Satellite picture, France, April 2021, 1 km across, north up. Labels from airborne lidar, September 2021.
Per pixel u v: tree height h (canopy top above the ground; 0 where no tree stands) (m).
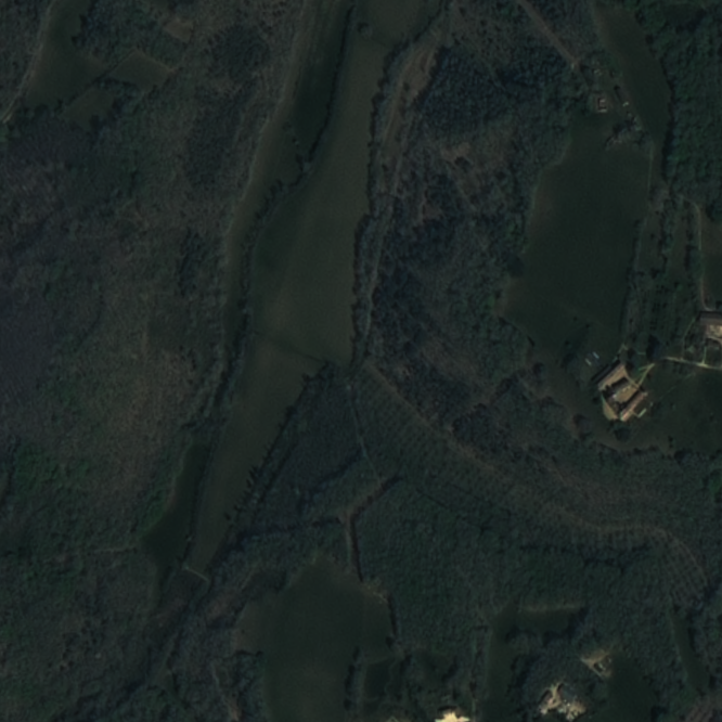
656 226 0
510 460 16
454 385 19
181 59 17
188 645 24
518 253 11
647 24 21
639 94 0
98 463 19
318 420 21
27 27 15
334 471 11
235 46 21
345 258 0
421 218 7
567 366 13
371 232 21
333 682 0
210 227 18
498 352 23
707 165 24
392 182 13
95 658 18
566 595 22
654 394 0
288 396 0
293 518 8
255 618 0
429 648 17
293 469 15
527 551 15
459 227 14
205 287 9
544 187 0
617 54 0
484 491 11
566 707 0
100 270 19
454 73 20
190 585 6
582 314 0
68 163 15
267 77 9
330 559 20
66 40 0
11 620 19
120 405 17
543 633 0
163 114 18
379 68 0
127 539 22
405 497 23
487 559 25
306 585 0
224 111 16
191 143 17
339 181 0
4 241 8
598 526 12
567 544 14
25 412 21
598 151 0
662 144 0
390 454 16
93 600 15
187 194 19
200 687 17
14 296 13
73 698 26
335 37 0
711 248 0
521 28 12
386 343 11
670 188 16
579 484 14
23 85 20
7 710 21
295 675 0
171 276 14
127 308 17
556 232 0
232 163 11
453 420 27
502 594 21
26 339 20
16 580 23
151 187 22
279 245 0
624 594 20
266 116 7
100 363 19
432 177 14
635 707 0
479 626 7
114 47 13
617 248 0
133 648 30
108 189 14
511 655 0
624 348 0
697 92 21
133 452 15
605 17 0
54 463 19
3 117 18
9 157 17
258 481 9
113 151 25
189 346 7
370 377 10
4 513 15
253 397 0
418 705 14
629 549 16
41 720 22
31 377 16
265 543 25
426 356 12
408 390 22
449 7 11
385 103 19
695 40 27
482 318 21
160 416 10
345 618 0
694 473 25
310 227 0
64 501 27
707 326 0
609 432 5
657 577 18
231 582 18
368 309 13
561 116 25
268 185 0
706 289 0
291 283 0
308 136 0
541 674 20
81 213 16
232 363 17
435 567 20
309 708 0
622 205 0
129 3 16
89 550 19
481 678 22
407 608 24
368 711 0
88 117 0
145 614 13
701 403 0
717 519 13
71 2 0
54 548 21
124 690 8
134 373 16
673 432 0
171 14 11
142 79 0
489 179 8
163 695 10
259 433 0
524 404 19
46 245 20
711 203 24
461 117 18
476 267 22
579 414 0
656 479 18
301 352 0
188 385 10
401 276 17
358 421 21
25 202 16
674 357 0
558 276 0
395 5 0
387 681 0
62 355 18
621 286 0
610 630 22
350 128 0
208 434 22
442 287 19
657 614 19
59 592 25
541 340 0
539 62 8
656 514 16
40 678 19
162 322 9
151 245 15
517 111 21
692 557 11
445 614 24
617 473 17
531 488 14
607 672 0
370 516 15
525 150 19
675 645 20
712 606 26
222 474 0
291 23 16
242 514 11
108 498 16
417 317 18
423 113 19
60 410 19
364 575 23
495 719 0
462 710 7
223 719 17
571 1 9
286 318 0
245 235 0
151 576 14
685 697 30
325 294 0
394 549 20
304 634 0
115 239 7
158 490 24
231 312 0
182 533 0
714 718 0
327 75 0
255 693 20
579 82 10
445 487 14
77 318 14
